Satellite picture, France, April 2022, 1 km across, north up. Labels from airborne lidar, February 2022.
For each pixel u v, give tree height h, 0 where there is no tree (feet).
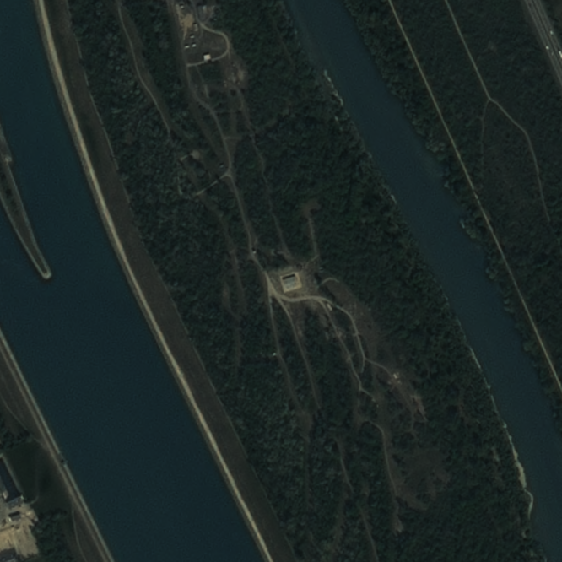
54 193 0
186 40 0
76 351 0
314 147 83
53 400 0
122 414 0
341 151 74
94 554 0
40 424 0
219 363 24
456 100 37
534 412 0
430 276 50
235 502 0
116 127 40
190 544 0
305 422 0
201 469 0
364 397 44
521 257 66
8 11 0
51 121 0
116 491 0
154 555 0
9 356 0
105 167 0
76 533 0
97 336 0
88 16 25
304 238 28
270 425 70
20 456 0
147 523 0
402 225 44
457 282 0
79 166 0
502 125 45
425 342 100
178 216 56
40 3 0
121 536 0
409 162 0
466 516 35
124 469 0
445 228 0
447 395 52
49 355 0
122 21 0
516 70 34
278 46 49
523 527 27
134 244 0
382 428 0
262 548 0
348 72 0
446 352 37
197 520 0
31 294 0
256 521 0
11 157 0
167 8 38
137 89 57
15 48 0
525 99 36
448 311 41
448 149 52
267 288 0
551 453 0
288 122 28
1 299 0
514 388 0
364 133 0
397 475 0
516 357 0
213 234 48
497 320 0
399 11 33
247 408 47
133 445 0
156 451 0
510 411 0
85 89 0
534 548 37
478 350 0
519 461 0
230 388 47
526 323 58
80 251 0
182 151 59
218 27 25
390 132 0
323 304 0
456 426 96
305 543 24
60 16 0
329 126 81
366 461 77
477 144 35
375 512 67
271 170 55
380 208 30
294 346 78
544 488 0
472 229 61
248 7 37
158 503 0
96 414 0
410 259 44
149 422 0
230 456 0
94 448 0
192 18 0
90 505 0
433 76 29
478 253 0
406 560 57
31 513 0
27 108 0
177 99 31
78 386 0
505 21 35
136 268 0
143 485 0
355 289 42
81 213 0
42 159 0
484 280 0
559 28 27
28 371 0
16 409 0
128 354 0
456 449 40
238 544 0
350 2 64
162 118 52
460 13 37
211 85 0
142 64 0
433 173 0
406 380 0
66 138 0
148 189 80
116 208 0
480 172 43
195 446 0
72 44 0
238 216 20
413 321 96
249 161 65
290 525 84
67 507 0
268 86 36
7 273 0
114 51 59
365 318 0
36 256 0
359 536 68
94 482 0
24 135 0
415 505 0
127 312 0
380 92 0
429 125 50
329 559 20
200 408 0
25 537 0
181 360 0
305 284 0
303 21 0
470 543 50
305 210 0
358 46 0
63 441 0
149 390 0
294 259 0
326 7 0
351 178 65
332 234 41
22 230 0
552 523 0
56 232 0
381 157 0
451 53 29
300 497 81
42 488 0
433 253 0
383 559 68
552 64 0
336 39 0
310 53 0
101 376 0
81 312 0
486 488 73
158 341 0
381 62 47
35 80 0
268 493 37
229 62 0
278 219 66
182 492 0
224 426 0
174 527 0
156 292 0
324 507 70
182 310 31
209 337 43
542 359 47
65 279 0
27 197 0
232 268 57
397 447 54
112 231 0
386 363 0
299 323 0
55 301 0
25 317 0
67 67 0
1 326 0
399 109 0
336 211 39
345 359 0
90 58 24
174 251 71
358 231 32
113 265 0
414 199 0
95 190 0
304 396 81
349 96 0
